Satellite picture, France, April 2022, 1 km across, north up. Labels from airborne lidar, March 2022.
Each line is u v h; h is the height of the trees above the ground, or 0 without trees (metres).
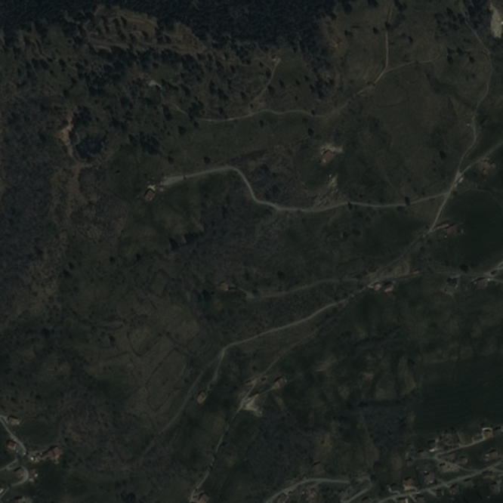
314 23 9
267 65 0
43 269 0
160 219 0
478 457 0
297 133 0
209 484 0
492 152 0
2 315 7
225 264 8
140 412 0
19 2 23
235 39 9
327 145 0
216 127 0
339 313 13
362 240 0
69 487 0
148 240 0
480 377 0
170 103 0
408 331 0
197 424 0
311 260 0
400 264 0
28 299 0
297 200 8
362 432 0
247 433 0
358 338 0
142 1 23
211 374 0
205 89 0
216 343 0
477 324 0
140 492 0
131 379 0
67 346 0
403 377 0
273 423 19
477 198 0
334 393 0
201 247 14
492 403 0
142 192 7
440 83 0
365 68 0
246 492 0
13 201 13
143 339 0
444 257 0
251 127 0
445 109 0
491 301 0
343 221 0
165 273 13
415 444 0
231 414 0
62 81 0
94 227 0
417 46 0
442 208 0
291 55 0
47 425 0
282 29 19
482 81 0
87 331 0
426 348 0
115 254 0
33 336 10
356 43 0
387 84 0
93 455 6
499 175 0
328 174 0
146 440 0
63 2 19
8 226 15
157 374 0
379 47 0
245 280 16
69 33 22
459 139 0
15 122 21
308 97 0
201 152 0
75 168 0
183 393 0
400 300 0
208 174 0
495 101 0
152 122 8
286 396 0
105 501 0
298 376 0
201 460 0
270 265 0
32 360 0
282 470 7
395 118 0
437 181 0
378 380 0
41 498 15
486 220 0
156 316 0
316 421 0
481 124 0
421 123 0
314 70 9
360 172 0
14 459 0
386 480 0
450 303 0
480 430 0
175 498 0
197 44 0
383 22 0
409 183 8
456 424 0
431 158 0
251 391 0
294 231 0
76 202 9
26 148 8
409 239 0
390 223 0
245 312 12
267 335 0
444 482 0
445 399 0
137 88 7
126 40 16
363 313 0
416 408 0
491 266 0
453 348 0
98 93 14
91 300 0
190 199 0
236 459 0
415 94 0
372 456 0
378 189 0
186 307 0
